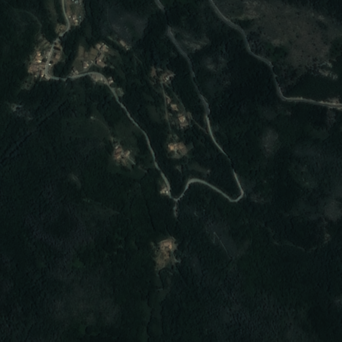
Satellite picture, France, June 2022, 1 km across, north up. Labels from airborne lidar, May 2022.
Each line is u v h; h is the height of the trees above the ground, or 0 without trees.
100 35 7
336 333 22
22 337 11
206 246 17
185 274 17
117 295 15
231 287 10
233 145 12
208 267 12
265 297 10
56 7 8
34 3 11
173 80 11
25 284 11
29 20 11
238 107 12
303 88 12
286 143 13
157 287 15
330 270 20
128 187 13
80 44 0
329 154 7
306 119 9
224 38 17
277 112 8
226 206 12
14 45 13
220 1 0
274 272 12
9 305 14
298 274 6
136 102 23
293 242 15
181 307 18
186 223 12
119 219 9
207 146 9
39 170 8
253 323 14
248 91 18
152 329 21
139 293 12
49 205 6
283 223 14
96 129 0
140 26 0
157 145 25
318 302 16
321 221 8
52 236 9
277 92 7
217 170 24
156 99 13
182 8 12
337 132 15
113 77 10
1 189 14
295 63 0
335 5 13
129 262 12
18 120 19
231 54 18
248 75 23
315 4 10
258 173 12
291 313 7
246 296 10
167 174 12
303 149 7
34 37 10
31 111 12
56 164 9
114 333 25
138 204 17
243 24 10
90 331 21
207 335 6
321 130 9
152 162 13
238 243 7
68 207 10
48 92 22
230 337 7
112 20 0
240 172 15
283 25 0
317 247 12
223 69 6
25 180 15
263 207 18
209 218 12
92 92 6
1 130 18
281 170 12
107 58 7
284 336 7
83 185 10
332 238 13
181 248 20
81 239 18
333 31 0
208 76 7
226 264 7
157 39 9
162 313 12
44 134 16
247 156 12
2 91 19
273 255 18
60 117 6
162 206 20
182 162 13
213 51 22
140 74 7
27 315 14
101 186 22
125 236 19
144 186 15
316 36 0
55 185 7
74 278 6
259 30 9
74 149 8
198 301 7
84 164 10
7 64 12
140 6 7
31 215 10
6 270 11
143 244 21
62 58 0
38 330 11
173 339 20
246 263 18
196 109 14
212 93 0
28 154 18
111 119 16
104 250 12
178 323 16
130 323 14
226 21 0
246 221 15
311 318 20
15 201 14
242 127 10
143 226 23
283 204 14
